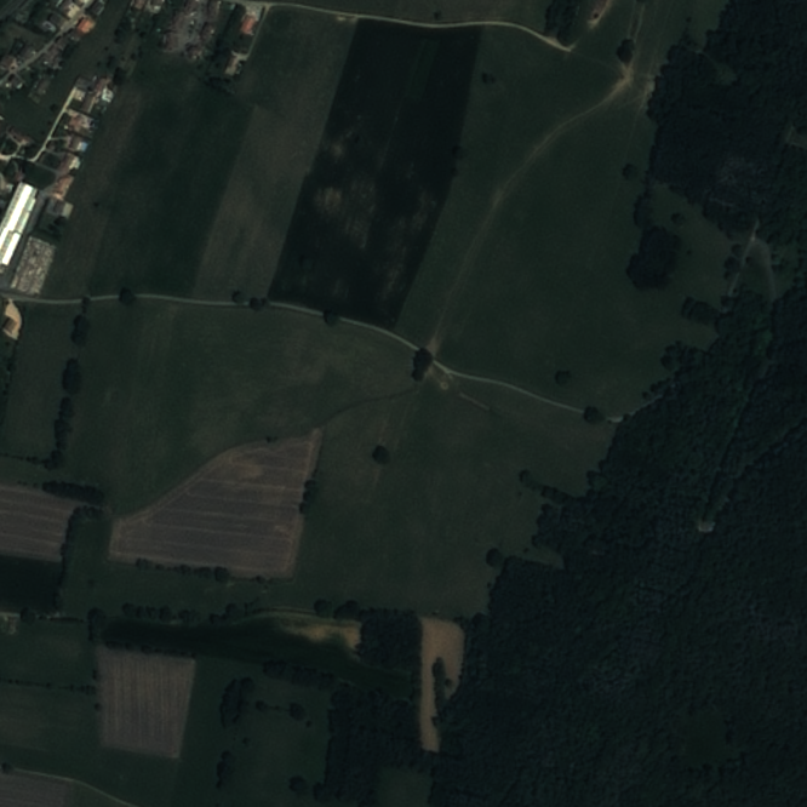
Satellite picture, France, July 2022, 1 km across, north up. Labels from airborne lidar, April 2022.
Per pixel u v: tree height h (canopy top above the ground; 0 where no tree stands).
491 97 0
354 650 0
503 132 0
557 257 0
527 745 14
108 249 0
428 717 0
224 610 0
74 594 0
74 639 0
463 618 7
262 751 0
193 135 0
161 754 0
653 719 9
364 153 0
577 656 16
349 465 0
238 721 12
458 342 0
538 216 0
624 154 0
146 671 0
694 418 16
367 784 21
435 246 0
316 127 0
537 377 0
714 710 16
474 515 0
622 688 22
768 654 10
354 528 0
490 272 0
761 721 9
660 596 18
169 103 0
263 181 0
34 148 6
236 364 0
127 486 0
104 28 0
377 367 0
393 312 0
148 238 0
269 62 0
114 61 10
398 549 0
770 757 16
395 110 0
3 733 0
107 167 0
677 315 0
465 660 5
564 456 0
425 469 0
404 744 27
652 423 14
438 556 0
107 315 0
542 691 18
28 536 0
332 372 0
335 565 0
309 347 0
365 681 0
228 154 0
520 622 17
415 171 0
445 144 0
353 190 0
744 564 11
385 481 0
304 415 0
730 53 16
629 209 0
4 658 0
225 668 0
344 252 0
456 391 0
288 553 0
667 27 0
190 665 0
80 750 0
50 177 0
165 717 0
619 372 0
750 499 8
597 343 0
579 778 17
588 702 16
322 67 0
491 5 0
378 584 0
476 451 0
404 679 0
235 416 0
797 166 14
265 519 0
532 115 0
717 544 12
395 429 0
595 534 9
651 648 24
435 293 0
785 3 21
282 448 0
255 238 0
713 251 0
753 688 11
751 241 0
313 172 0
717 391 9
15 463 0
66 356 0
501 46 0
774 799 9
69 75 0
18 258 0
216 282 0
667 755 15
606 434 0
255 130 0
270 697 0
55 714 0
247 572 0
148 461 0
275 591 0
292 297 0
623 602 14
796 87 10
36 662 0
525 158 0
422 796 0
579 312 0
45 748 0
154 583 0
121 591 0
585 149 0
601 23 0
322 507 0
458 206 0
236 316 0
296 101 0
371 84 0
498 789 17
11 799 0
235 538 0
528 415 0
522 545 0
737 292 9
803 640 13
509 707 13
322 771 0
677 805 12
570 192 0
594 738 9
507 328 0
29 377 0
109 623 17
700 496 9
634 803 11
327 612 22
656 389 12
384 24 0
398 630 20
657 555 20
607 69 0
